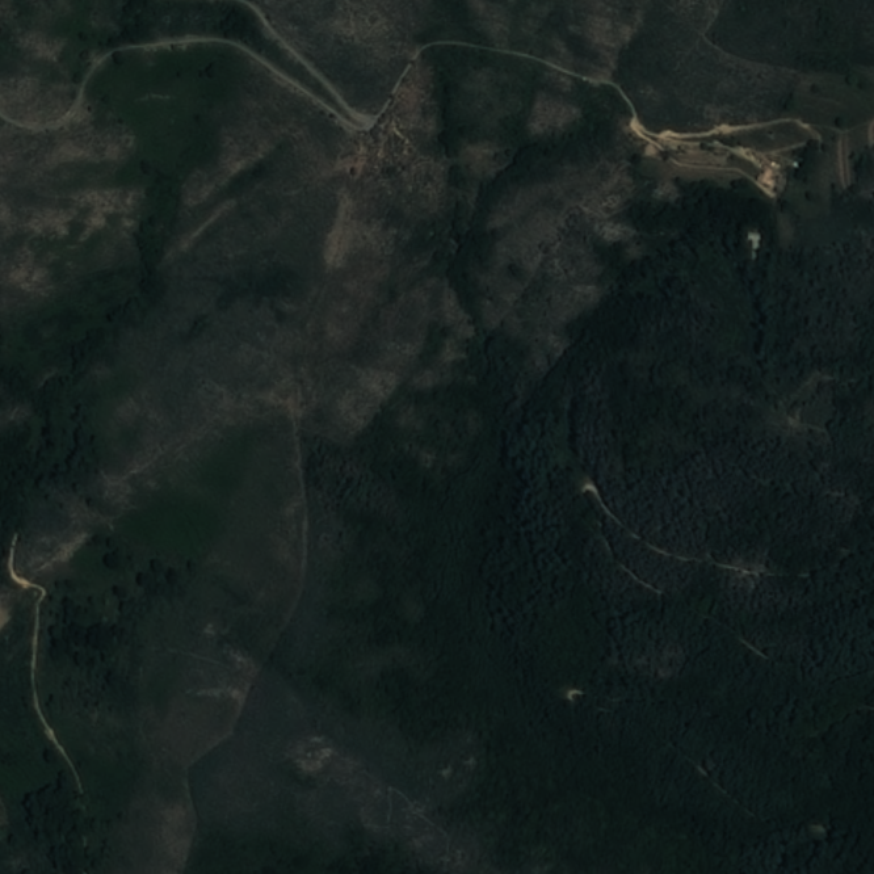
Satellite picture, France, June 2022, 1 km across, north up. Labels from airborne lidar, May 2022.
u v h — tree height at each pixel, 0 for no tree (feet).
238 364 0
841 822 84
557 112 0
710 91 0
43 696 0
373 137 35
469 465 24
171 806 0
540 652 64
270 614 0
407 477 69
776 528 50
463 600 54
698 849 89
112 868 0
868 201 0
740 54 0
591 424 79
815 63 23
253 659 0
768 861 123
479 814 19
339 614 27
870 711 28
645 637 85
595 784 74
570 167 0
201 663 0
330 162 0
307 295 0
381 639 30
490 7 0
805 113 0
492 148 0
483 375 53
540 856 20
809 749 62
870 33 0
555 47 0
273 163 0
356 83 0
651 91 0
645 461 26
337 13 0
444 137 46
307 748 0
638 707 76
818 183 0
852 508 60
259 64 0
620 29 0
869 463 37
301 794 0
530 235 0
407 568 32
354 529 23
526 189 0
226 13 29
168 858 0
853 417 37
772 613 45
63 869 45
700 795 74
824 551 79
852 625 124
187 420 0
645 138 0
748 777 86
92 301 0
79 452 46
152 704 0
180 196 0
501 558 70
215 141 0
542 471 123
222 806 0
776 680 83
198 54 0
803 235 0
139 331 0
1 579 32
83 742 0
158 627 0
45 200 0
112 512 0
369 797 0
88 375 0
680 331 42
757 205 66
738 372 39
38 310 0
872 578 82
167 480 0
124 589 37
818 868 56
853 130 0
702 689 41
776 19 0
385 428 20
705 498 55
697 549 36
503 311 0
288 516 0
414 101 0
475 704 40
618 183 0
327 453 25
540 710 59
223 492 0
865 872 32
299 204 0
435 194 0
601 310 36
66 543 0
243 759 0
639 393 48
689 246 94
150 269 31
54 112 0
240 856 0
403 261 0
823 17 24
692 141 0
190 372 0
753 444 47
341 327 0
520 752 44
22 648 0
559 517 86
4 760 39
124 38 27
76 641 43
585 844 47
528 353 19
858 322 30
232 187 0
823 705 64
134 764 0
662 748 64
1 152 0
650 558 57
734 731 63
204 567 0
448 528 38
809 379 30
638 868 40
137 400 0
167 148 0
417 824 0
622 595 60
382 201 0
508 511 43
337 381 0
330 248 0
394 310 0
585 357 77
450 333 52
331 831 0
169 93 0
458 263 65
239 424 0
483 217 43
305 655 0
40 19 0
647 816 47
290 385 0
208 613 0
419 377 0
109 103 38
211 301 0
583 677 52
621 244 32
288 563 0
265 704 0
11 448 64
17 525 46
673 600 39
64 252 0
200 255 0
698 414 22
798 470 73
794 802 73
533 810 43
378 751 0
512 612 32
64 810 57
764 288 50
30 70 0
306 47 0
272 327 0
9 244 0
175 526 0
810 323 43
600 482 76
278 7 0
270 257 0
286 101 0
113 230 0
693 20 0
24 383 59
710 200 66
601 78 0
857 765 113
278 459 0
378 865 33
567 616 39
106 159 0
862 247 20
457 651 56
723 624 29
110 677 37
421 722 25
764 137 0
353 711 24
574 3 0
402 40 0
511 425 58
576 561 67
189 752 0
